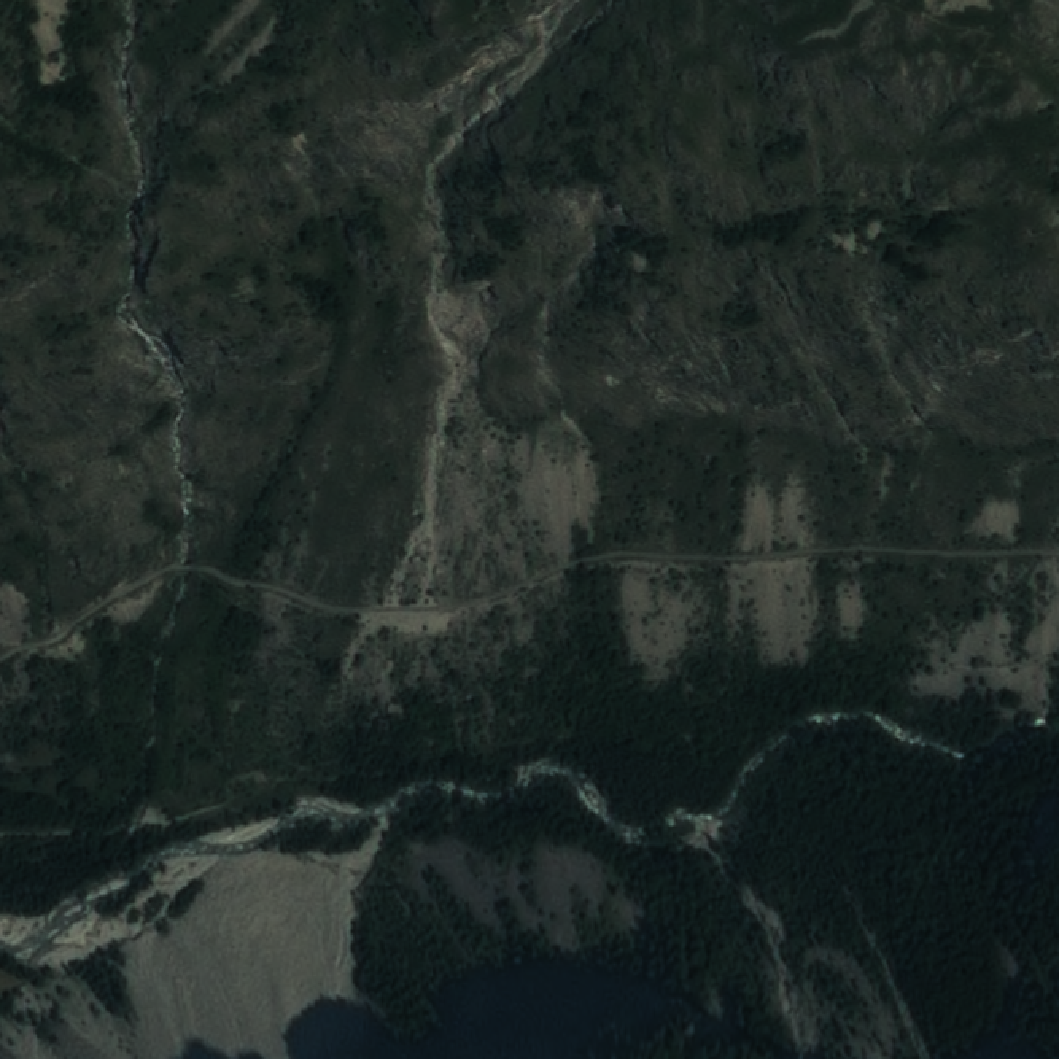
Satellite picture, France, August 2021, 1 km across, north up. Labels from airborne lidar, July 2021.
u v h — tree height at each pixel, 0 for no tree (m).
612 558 0
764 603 0
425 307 0
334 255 0
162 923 8
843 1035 6
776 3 0
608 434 0
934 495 0
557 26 0
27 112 8
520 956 9
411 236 0
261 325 6
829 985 10
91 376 8
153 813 0
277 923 0
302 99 8
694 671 9
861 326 7
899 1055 9
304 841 7
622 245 8
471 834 8
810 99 0
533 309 0
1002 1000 11
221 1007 0
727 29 0
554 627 10
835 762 7
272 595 0
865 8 0
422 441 0
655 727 10
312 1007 0
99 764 7
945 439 0
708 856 6
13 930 0
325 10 0
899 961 9
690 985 9
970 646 0
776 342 11
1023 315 5
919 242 12
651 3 0
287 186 6
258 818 6
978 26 0
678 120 0
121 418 0
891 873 11
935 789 9
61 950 0
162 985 0
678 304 0
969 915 12
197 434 0
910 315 6
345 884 0
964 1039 9
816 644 6
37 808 11
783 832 6
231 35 0
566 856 0
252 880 0
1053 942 11
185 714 0
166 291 0
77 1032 0
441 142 0
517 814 21
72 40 6
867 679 8
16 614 0
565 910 0
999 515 0
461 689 8
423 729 8
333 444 0
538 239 0
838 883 6
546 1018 7
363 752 13
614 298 6
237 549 7
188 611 0
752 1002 10
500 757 10
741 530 7
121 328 0
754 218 8
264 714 7
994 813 12
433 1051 13
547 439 0
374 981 10
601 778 15
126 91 0
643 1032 24
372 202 8
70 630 0
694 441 0
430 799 14
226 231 0
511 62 0
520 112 0
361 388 0
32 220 0
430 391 0
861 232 12
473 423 0
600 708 9
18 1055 0
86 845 7
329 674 12
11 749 7
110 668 9
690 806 9
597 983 10
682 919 8
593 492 0
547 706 8
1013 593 7
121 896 9
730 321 6
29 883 12
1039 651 0
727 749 9
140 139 0
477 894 0
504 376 0
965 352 6
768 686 10
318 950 0
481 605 0
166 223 0
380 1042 10
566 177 8
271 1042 0
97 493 0
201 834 9
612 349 0
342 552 0
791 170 0
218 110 0
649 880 12
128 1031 0
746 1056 26
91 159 7
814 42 0
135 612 0
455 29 0
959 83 0
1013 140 0
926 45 0
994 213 0
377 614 0
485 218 10
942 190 0
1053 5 0
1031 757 24
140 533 0
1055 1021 21
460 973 6
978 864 11
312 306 8
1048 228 0
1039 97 0
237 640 6
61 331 8
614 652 8
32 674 8
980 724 23
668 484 0
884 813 8
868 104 0
